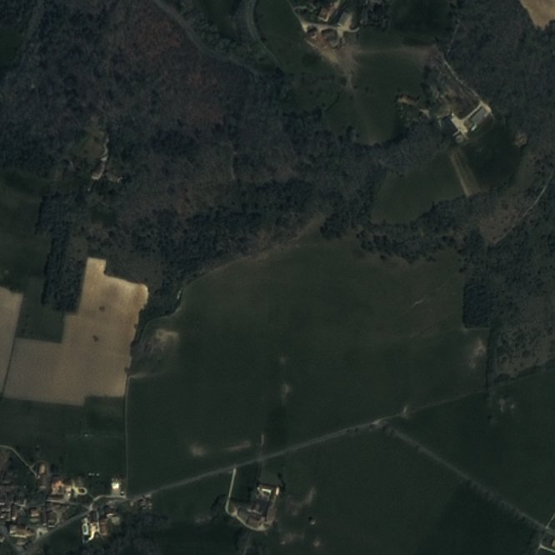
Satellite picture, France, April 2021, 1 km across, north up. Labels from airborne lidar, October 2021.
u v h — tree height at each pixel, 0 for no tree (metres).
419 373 0
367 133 0
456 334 0
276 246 11
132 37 6
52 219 17
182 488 0
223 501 11
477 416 0
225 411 0
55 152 22
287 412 0
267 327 0
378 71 0
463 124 0
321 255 0
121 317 0
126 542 19
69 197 12
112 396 0
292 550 0
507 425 0
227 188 9
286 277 0
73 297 11
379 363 0
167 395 0
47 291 16
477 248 12
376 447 0
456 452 0
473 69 25
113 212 22
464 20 20
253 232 15
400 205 0
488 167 0
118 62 12
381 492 0
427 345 0
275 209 10
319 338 0
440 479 0
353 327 0
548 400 0
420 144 23
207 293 0
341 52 0
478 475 0
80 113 23
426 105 0
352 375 0
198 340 0
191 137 14
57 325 0
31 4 16
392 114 0
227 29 0
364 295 0
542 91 26
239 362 0
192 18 17
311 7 8
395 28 0
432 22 0
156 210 19
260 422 0
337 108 0
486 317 17
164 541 0
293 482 0
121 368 0
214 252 13
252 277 0
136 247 6
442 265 0
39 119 21
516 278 8
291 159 16
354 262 0
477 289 8
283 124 24
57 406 0
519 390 0
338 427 0
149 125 17
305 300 0
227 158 19
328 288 0
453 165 0
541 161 9
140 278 0
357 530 0
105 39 20
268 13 0
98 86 13
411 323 0
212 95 6
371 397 0
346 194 22
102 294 0
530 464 0
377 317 0
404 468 0
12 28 16
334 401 0
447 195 0
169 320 0
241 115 16
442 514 0
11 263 0
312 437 0
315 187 18
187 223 15
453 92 21
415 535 0
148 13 14
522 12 19
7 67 0
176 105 13
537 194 9
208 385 0
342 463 0
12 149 24
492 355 7
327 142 14
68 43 9
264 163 22
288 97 16
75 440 0
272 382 0
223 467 0
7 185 0
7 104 17
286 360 0
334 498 0
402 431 0
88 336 0
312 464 0
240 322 0
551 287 0
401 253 25
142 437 0
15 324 0
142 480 0
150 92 18
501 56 25
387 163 23
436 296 0
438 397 0
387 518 0
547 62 22
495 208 18
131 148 20
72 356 0
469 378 0
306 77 8
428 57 0
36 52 9
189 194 7
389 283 0
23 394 0
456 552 0
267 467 0
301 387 0
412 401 0
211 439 0
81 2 17
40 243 0
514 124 22
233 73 10
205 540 0
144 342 0
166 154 22
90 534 0
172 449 0
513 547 0
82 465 0
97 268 0
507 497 0
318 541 0
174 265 12
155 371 0
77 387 0
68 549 0
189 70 11
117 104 20
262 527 0
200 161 22
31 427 0
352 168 22
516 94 17
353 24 0
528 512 0
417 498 0
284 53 0
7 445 0
